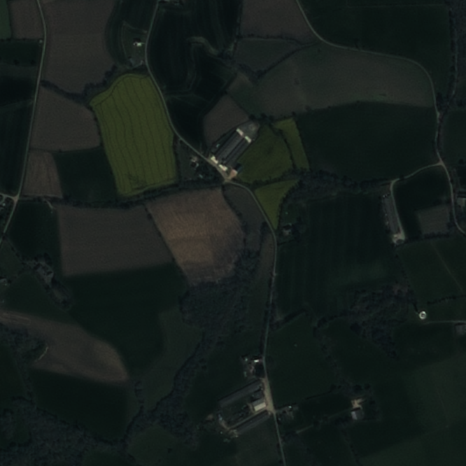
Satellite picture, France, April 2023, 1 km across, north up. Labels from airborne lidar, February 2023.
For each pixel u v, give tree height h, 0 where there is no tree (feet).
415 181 0
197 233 0
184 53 0
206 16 0
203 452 0
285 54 0
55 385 0
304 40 0
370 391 41
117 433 0
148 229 0
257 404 0
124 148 0
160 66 0
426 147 0
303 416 0
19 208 0
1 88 0
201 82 0
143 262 0
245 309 38
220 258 0
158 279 0
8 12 0
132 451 0
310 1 0
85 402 0
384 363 0
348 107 0
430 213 0
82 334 0
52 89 42
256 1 0
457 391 0
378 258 0
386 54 0
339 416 0
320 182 56
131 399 0
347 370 0
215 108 0
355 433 0
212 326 39
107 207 31
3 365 0
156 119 0
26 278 0
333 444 0
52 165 0
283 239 63
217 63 0
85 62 0
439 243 0
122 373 0
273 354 0
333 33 0
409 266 0
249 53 0
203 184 42
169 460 0
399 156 0
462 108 49
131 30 0
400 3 0
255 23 0
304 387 0
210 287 48
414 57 0
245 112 0
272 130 43
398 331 0
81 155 0
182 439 41
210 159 0
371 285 0
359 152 0
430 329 0
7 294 0
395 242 0
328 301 0
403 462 0
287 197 39
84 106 26
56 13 0
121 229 0
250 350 0
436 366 0
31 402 41
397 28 0
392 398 0
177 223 0
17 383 0
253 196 0
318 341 48
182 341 0
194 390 0
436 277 0
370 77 0
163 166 0
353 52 0
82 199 0
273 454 0
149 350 0
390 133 0
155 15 0
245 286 28
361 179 0
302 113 0
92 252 0
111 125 0
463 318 0
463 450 0
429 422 0
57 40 0
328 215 0
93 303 0
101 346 0
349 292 0
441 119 35
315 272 0
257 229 0
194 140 0
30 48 0
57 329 0
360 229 0
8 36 0
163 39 0
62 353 0
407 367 0
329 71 0
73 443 53
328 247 0
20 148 0
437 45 0
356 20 0
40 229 0
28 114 0
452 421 0
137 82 0
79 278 0
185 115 0
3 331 53
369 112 0
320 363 0
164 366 0
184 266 0
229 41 0
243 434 0
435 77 0
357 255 0
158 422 43
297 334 0
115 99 0
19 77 0
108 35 0
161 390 0
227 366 0
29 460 25
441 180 0
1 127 0
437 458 0
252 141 0
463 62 42
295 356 0
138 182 0
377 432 0
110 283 0
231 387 0
